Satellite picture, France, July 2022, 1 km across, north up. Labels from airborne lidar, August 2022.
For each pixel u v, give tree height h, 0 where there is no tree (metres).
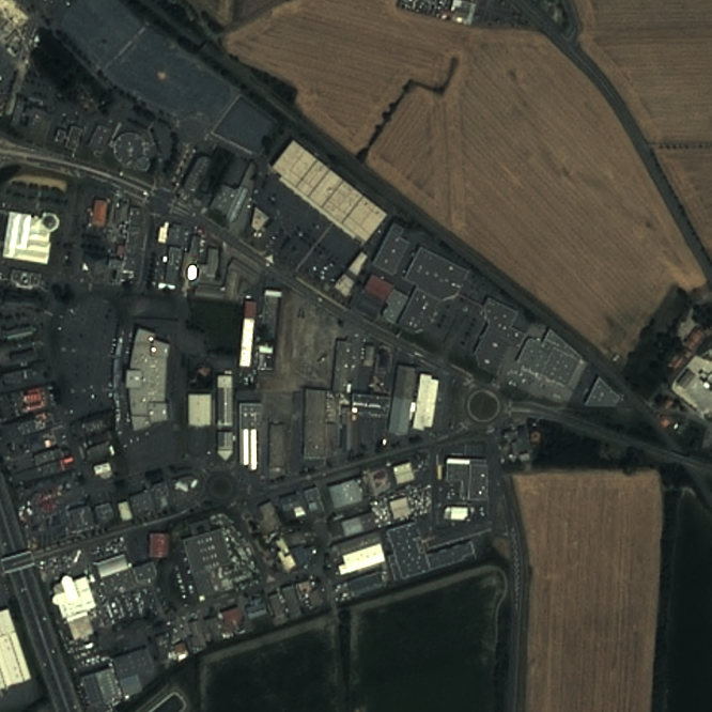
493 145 0
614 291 0
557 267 0
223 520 0
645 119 0
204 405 0
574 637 0
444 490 0
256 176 9
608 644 0
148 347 0
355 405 0
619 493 0
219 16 0
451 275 0
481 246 0
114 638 0
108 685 0
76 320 0
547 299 0
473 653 0
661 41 0
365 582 0
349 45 0
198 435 0
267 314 0
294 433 0
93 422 0
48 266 0
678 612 0
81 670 0
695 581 0
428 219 0
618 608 0
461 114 0
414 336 0
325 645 0
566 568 0
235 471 0
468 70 0
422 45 0
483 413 0
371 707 0
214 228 0
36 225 0
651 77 0
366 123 0
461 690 0
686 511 0
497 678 8
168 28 6
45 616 0
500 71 0
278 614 0
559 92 0
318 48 0
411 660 0
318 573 0
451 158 0
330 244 0
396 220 6
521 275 0
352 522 0
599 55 0
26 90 0
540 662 0
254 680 0
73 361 0
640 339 7
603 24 0
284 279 0
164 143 0
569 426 0
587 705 0
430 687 0
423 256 0
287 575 0
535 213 0
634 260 0
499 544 0
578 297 0
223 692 0
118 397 0
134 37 0
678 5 0
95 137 0
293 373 0
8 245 0
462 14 0
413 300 0
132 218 0
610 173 0
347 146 0
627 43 0
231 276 0
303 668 0
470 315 0
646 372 0
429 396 0
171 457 0
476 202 0
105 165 0
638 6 0
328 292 0
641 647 0
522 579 0
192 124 0
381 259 0
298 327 0
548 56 0
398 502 0
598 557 0
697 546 0
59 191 8
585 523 0
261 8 0
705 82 0
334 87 0
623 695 0
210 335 0
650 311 0
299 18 0
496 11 0
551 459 14
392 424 0
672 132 0
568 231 0
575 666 0
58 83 13
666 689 0
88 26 0
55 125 0
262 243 0
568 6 0
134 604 0
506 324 0
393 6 0
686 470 6
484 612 0
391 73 0
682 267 0
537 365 0
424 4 0
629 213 0
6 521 0
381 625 0
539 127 0
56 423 0
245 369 0
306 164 0
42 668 0
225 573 0
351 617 9
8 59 0
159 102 0
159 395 0
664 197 0
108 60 0
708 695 0
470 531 0
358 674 0
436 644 0
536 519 0
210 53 0
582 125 0
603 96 0
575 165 0
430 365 0
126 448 0
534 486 0
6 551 0
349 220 0
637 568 0
